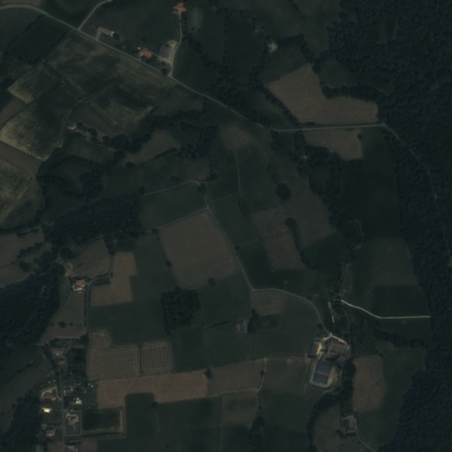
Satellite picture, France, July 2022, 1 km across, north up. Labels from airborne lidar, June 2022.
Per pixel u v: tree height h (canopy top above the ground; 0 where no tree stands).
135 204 24
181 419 0
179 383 0
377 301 0
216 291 0
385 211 0
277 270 0
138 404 0
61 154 0
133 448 0
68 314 0
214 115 0
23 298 23
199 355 0
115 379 0
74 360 7
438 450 27
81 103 0
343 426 0
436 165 20
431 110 27
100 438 0
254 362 0
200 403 0
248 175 0
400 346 17
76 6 0
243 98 18
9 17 0
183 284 0
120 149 8
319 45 0
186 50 0
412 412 29
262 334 0
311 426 17
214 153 0
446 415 27
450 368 29
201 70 0
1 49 0
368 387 0
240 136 0
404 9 27
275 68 0
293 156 14
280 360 0
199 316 0
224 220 0
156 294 0
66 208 0
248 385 0
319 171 0
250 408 0
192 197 0
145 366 0
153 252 0
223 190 0
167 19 0
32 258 0
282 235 0
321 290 0
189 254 0
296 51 0
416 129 28
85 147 0
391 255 0
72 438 0
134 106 0
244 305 0
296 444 0
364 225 6
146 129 0
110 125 0
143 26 0
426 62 33
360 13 26
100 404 0
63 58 0
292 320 0
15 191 0
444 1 20
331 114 0
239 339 0
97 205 20
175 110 0
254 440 18
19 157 0
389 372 0
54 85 0
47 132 0
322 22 0
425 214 27
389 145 12
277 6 0
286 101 0
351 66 22
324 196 8
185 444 0
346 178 0
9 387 0
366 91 21
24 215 0
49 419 0
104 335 0
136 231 20
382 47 21
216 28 0
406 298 0
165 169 0
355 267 0
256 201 0
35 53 0
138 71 0
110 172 18
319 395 0
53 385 0
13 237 0
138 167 0
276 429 0
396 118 27
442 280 33
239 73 0
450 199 32
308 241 0
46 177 19
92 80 0
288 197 13
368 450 0
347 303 0
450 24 25
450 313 24
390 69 10
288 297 0
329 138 0
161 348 0
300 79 0
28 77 0
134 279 0
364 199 0
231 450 0
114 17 0
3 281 0
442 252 31
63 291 0
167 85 0
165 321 8
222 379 0
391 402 0
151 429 0
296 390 0
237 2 0
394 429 0
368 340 0
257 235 0
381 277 0
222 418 0
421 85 7
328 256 0
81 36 0
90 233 23
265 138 0
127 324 0
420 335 0
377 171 0
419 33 29
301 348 0
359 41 29
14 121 0
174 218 0
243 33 0
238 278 0
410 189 21
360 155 0
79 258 0
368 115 0
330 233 0
